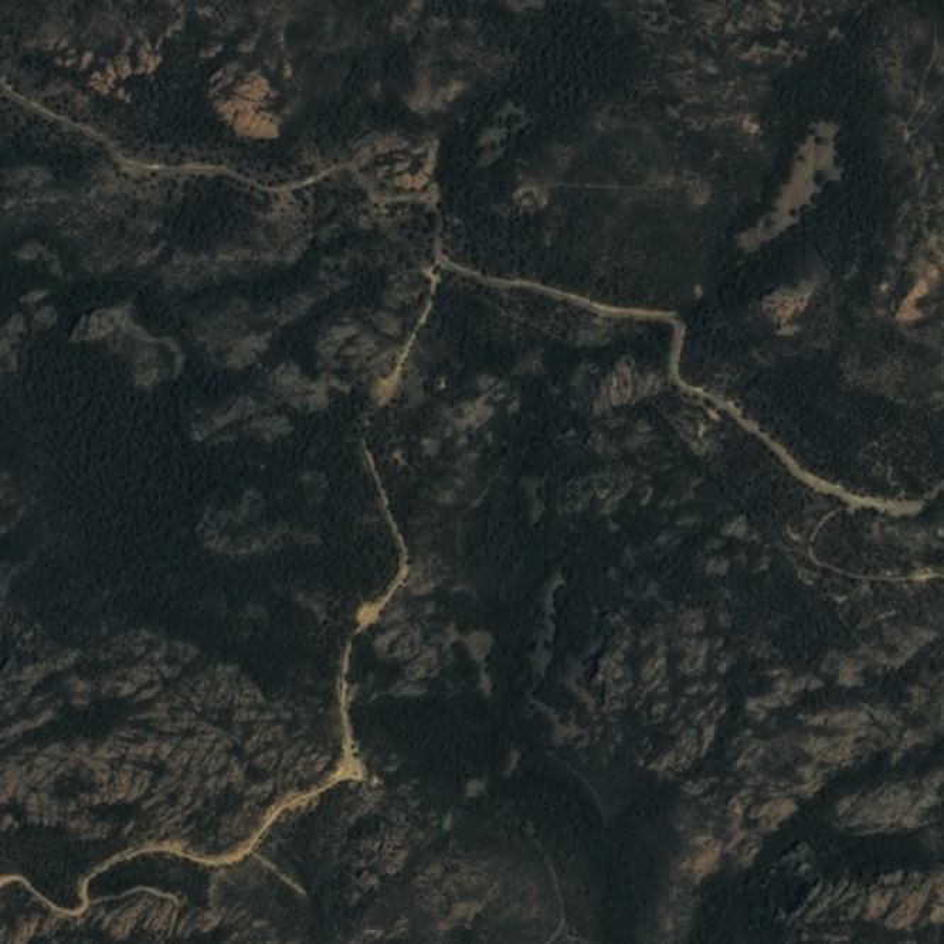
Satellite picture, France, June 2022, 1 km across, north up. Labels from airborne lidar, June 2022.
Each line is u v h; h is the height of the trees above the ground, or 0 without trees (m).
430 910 0
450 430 0
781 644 8
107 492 11
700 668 0
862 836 7
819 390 8
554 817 8
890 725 0
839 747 0
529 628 11
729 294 9
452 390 8
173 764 0
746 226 8
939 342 0
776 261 7
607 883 6
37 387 10
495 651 6
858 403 7
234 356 0
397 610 0
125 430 11
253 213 10
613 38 6
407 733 8
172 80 10
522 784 7
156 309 14
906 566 9
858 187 11
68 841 6
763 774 0
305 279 11
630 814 7
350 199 9
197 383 13
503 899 0
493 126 12
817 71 8
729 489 11
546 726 7
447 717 9
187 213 10
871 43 7
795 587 7
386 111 9
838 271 7
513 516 8
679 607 7
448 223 8
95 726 11
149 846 0
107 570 10
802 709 8
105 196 0
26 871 6
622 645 0
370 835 6
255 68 0
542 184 0
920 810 0
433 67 0
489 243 10
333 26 0
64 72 11
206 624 7
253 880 0
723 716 13
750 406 7
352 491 12
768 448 11
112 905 7
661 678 0
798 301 0
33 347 9
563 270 9
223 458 12
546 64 10
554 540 7
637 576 11
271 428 0
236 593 12
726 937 8
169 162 9
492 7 11
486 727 7
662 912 0
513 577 6
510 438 5
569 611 8
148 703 6
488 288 9
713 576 7
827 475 6
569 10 13
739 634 8
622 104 7
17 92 13
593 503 8
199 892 6
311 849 8
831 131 0
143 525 10
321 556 10
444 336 12
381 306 8
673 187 0
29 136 8
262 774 7
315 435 12
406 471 9
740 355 9
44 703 0
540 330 9
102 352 9
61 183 8
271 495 9
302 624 9
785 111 11
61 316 8
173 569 8
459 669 6
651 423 7
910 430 7
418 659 13
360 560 11
